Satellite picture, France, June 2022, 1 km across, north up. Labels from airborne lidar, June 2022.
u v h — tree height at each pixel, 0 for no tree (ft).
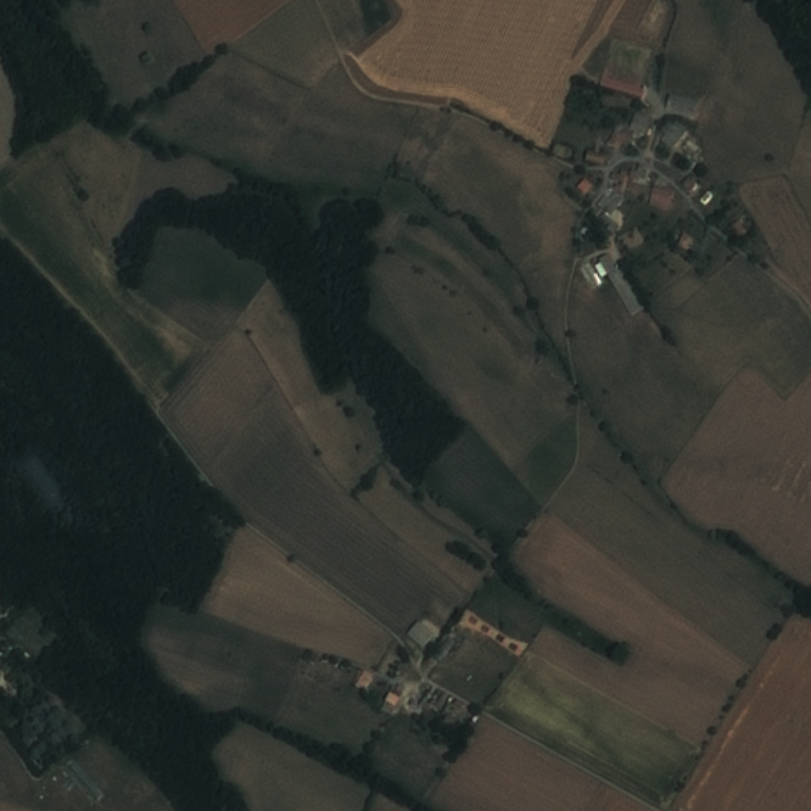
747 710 0
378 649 0
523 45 0
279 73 0
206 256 0
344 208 78
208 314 0
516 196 0
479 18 0
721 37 0
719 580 0
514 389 0
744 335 0
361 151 0
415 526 0
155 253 0
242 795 31
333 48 0
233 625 0
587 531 0
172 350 0
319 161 0
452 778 0
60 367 46
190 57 0
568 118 18
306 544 0
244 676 0
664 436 0
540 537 0
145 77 0
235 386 0
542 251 0
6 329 42
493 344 0
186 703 65
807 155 0
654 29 0
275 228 37
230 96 0
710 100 0
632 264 33
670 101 0
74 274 0
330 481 0
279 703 0
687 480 0
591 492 0
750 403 0
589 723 0
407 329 0
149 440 53
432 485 0
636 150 22
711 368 0
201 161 0
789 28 69
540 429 0
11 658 21
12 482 71
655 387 0
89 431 41
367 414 0
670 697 0
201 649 0
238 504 0
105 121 70
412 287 0
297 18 0
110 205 0
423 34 0
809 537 0
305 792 0
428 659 26
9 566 62
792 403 0
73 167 0
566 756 0
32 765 44
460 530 0
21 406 71
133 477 52
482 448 0
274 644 0
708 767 0
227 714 58
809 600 70
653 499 0
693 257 45
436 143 0
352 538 0
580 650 0
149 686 69
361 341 62
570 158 18
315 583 0
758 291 0
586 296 0
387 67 0
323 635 0
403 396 42
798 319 0
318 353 40
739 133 0
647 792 0
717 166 0
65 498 51
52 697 26
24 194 0
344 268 76
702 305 0
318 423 0
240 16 0
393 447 74
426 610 0
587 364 0
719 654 0
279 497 0
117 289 0
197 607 42
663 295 0
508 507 0
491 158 0
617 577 0
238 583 0
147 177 0
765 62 0
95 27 0
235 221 74
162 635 0
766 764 0
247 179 63
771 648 0
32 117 51
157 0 0
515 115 0
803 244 0
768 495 0
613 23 0
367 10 0
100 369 46
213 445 0
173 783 48
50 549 53
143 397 39
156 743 44
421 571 0
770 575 0
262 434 0
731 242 40
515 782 0
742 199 0
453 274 0
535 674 0
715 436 0
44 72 61
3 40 50
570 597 0
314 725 0
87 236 0
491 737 0
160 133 0
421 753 0
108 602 54
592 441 0
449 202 0
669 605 0
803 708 0
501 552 45
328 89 0
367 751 39
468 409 0
